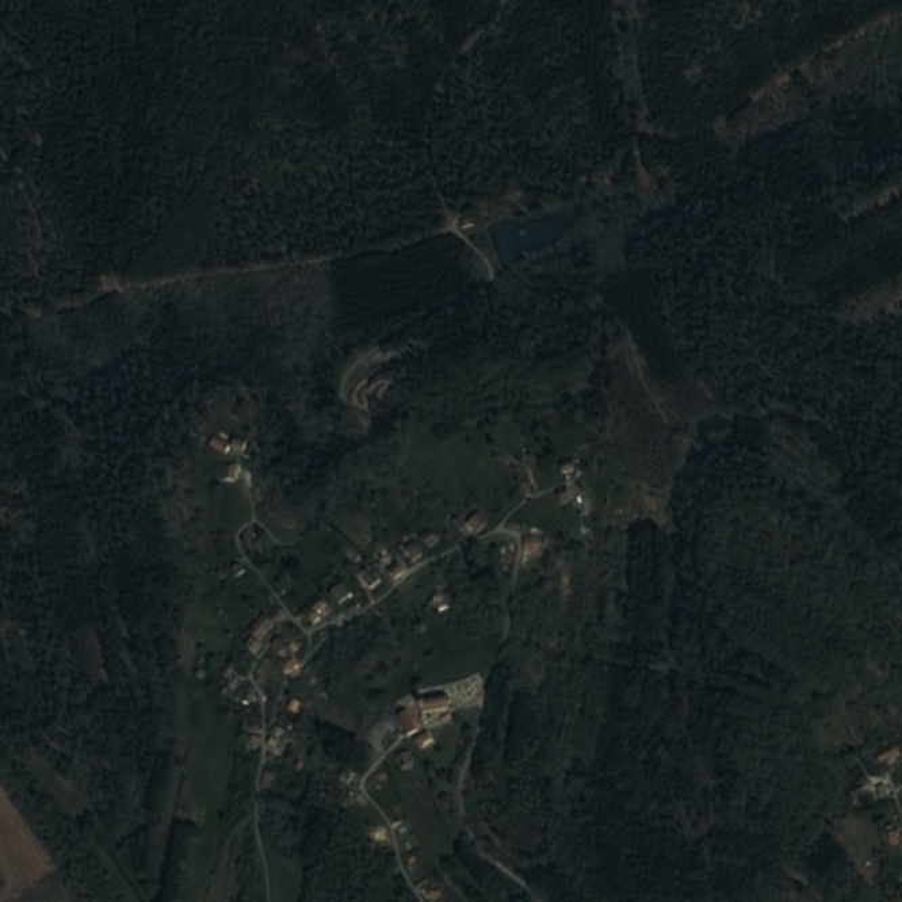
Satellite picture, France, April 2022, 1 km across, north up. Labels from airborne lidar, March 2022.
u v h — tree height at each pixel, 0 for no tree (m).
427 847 0
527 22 10
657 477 7
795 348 18
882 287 12
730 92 12
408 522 0
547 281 14
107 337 17
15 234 19
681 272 25
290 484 23
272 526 0
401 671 19
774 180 17
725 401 24
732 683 30
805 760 14
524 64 8
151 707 27
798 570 14
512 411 10
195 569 20
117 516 16
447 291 14
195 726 0
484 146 23
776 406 29
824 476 15
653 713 16
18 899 0
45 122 27
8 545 10
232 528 0
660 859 17
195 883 0
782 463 27
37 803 22
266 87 11
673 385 7
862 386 24
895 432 28
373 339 19
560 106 9
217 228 10
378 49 11
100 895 12
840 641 14
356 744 14
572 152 8
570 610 8
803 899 17
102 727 33
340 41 10
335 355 12
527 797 20
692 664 21
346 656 10
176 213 13
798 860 18
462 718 9
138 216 11
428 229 28
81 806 0
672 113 14
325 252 24
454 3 16
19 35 19
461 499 0
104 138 33
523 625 14
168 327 21
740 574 11
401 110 13
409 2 9
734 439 8
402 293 13
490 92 6
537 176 12
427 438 0
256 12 14
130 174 17
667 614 11
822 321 19
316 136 10
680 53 8
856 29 16
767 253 21
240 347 14
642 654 15
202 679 8
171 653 11
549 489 0
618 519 0
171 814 0
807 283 9
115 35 28
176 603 10
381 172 13
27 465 14
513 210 15
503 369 20
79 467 13
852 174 18
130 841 15
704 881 23
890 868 8
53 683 20
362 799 0
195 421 19
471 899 16
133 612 17
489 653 0
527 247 0
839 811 9
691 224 30
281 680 0
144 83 20
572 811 23
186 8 16
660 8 18
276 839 15
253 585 0
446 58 13
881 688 15
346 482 26
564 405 11
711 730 7
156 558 17
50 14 24
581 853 19
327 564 0
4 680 22
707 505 24
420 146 20
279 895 0
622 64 22
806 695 14
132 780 13
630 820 15
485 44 6
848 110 16
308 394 14
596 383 13
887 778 0
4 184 14
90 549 28
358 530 0
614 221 18
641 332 18
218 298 15
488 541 0
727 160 25
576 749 17
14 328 29
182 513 13
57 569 21
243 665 7
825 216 12
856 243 16
